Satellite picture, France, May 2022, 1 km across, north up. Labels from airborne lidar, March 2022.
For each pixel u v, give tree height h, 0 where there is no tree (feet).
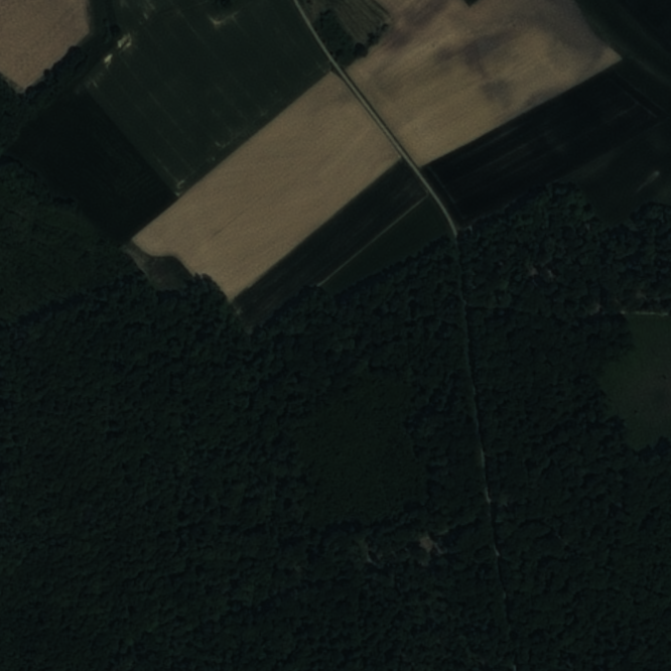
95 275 0
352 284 0
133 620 90
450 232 0
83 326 83
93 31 0
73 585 92
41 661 77
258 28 0
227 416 92
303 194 0
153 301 64
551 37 0
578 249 93
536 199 80
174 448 88
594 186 0
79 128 0
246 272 0
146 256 0
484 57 0
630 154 0
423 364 73
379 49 0
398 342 91
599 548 71
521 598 78
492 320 88
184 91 0
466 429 89
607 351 101
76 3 0
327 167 0
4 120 66
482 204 0
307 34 0
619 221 0
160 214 0
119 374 89
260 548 105
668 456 85
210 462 86
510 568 71
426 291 80
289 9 0
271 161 0
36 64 0
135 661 85
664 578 84
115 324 94
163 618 88
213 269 0
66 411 96
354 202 0
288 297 0
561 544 84
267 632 89
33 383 102
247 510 99
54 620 78
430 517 86
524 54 0
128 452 83
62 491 95
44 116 0
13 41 0
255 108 0
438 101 0
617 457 106
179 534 87
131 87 0
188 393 91
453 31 0
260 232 0
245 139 0
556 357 108
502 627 74
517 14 0
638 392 0
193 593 84
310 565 101
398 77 0
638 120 0
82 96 0
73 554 79
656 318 0
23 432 103
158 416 88
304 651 84
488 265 95
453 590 83
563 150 0
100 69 0
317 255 0
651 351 0
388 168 0
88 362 85
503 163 0
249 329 0
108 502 85
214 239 0
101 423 88
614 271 114
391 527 88
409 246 0
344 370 102
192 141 0
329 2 0
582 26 0
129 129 0
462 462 97
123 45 0
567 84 0
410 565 92
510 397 101
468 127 0
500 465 88
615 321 88
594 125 0
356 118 0
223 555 91
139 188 0
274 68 0
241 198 0
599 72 0
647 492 74
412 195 0
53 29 0
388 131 0
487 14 0
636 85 0
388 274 52
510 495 89
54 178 0
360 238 0
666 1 0
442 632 92
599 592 88
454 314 86
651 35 0
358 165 0
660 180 0
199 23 0
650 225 83
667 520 88
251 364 73
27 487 86
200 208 0
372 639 81
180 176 0
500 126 0
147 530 99
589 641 91
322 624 75
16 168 67
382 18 0
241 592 98
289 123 0
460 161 0
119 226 0
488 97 0
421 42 0
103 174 0
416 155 0
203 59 0
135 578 87
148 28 0
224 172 0
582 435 106
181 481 89
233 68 0
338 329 89
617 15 0
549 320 98
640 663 82
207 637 79
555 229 94
